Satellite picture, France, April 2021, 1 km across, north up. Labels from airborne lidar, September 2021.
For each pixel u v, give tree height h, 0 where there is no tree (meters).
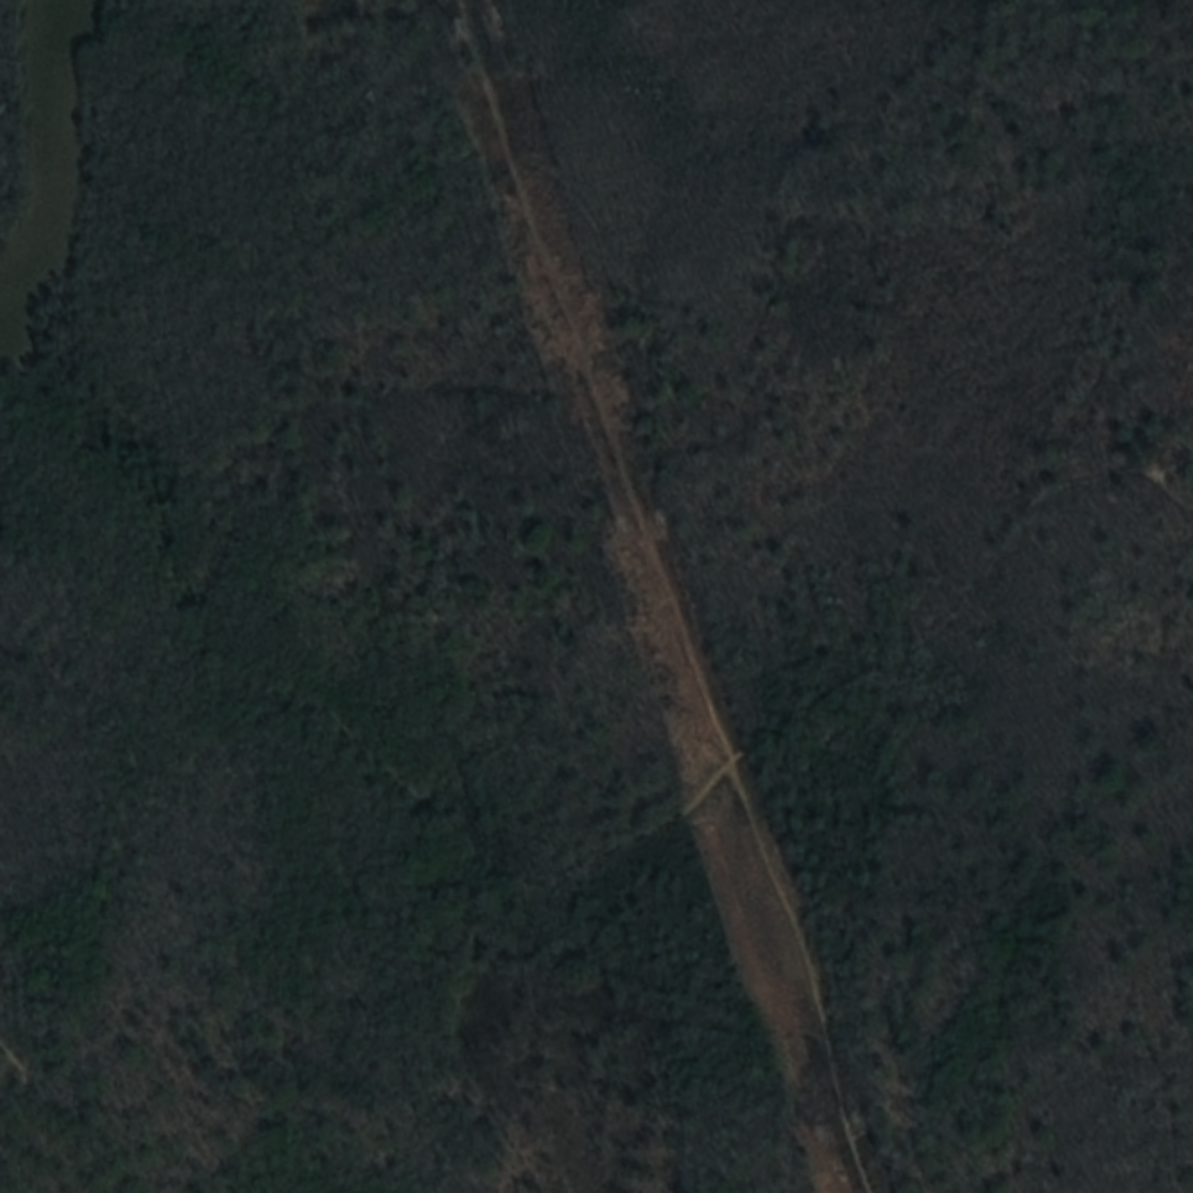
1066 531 16
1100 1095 9
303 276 17
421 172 19
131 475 20
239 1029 16
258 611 22
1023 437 7
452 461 9
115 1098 18
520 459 9
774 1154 19
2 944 21
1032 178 20
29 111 14
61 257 0
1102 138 17
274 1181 18
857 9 8
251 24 19
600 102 16
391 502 10
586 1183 0
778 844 7
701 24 13
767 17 11
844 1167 5
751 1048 21
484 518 12
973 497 10
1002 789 18
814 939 10
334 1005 17
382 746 20
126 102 15
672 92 13
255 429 22
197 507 17
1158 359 7
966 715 17
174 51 22
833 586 13
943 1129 16
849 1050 17
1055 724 14
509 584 13
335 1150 18
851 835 10
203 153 13
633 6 10
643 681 16
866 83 11
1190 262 12
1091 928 12
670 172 14
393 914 24
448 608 20
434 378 9
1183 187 15
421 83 16
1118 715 16
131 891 18
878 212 20
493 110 0
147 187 14
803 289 6
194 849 17
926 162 17
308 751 28
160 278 16
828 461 18
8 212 17
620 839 22
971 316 7
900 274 8
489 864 25
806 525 12
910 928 14
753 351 7
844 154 22
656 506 11
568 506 8
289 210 19
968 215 16
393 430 11
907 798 16
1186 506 9
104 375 14
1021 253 8
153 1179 12
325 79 29
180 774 21
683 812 17
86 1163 20
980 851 17
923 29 9
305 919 25
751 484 10
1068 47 17
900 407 6
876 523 13
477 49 16
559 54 13
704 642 14
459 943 23
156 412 12
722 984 10
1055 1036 15
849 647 12
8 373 17
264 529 21
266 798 22
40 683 17
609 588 13
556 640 15
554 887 21
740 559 16
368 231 22
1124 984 10
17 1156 19
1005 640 17
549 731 20
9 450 22
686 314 9
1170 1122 8
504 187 6
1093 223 13
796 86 11
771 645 15
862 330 7
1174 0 14
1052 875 13
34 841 18
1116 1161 10
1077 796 18
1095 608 15
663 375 11
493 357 10
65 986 23
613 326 9
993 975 22
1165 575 12
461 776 16
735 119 12
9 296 0
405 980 24
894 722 16
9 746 26
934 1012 15
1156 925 13
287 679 26
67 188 0
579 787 23
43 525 26
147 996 20
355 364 6
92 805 19
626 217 13
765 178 13
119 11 15
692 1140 24
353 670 22
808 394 17
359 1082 18
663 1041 14
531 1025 23
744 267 13
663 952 11
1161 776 15
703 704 0
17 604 19
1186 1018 18
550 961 24
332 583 17
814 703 23
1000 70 14
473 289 20
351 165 23
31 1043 18
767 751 23
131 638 24
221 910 16
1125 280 11
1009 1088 13
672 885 14
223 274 18
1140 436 7
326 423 13
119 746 25
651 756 14
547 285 0
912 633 15
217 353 15
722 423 8
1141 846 19
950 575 14
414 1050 24
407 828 27
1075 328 7
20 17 14
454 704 24
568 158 14
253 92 22
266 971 23
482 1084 7
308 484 12
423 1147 20
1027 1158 14
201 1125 15
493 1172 22
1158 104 19
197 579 21
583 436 7
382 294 19
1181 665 9
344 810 22
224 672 23
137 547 29
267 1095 19
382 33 23
